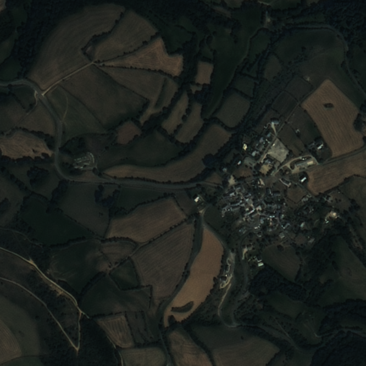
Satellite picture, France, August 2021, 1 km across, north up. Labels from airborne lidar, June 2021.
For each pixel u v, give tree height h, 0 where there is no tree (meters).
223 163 7
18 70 0
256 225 0
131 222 0
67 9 18
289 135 0
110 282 0
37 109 0
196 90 0
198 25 14
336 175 0
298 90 0
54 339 7
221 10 0
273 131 0
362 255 10
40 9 28
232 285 0
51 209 10
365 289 0
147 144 0
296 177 0
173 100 10
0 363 0
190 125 0
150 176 0
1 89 0
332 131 0
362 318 17
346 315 20
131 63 0
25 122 0
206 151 0
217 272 0
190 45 11
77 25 0
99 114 0
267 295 6
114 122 0
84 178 0
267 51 8
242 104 0
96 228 0
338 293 0
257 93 7
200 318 8
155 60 0
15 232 0
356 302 15
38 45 13
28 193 9
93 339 6
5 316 0
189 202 0
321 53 0
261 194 0
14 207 0
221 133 0
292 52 0
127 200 0
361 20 27
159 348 0
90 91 0
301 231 7
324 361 6
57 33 0
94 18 0
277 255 0
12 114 0
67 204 0
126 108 0
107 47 0
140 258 0
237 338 0
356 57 0
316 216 0
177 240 0
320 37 0
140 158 0
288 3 0
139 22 0
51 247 11
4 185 0
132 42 0
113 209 18
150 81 0
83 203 0
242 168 0
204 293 0
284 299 0
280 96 0
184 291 0
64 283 13
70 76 0
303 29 9
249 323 11
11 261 0
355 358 9
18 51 11
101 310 0
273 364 8
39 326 0
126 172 0
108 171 0
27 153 0
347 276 0
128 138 0
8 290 0
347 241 10
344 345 8
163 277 0
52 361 6
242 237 0
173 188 0
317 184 0
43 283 8
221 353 0
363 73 0
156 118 10
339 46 0
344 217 10
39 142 0
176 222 0
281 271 0
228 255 0
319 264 12
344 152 0
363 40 9
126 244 0
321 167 0
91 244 0
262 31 7
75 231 0
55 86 0
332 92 0
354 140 0
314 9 21
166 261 0
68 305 0
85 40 0
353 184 0
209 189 0
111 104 0
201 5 16
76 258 0
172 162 0
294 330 6
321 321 0
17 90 0
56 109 0
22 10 0
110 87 0
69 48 0
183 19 0
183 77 9
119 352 12
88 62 0
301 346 9
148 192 0
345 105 0
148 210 0
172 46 0
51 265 0
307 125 0
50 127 0
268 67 0
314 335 0
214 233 0
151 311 0
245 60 6
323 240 10
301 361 0
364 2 21
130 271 0
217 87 0
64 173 0
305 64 0
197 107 0
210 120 7
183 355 0
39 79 0
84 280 0
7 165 18
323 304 0
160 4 19
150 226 0
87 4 11
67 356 9
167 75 6
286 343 11
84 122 0
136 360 0
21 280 0
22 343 0
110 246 0
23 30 19
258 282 21
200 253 0
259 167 14
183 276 7
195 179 6
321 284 10
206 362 0
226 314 0
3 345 0
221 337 0
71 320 0
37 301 0
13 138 0
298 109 0
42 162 15
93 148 0
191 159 0
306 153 0
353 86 0
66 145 7
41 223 0
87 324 9
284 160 0
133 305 0
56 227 0
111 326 0
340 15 24
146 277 0
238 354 0
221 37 0
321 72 0
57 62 0
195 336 10
